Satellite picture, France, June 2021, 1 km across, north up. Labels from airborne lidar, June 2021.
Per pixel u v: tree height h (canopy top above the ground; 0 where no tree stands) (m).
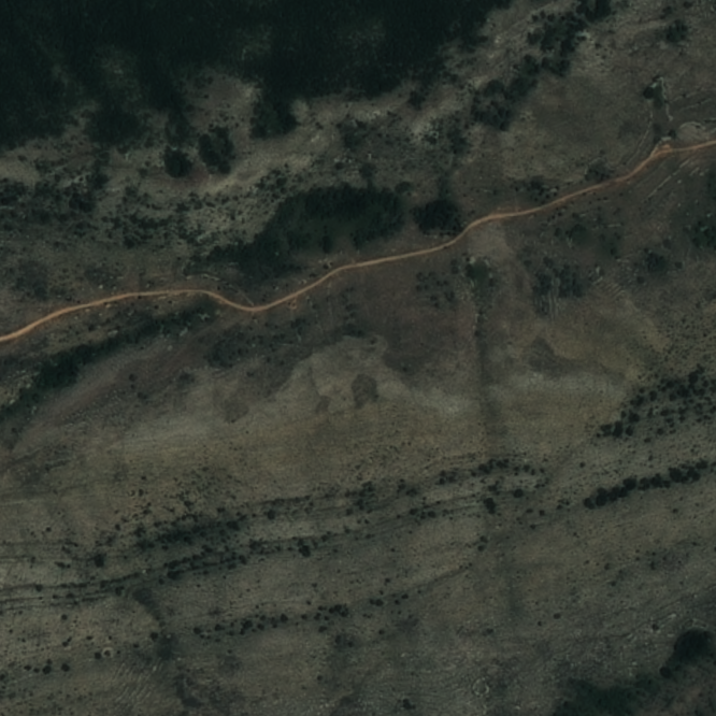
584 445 0
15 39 7
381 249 0
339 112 0
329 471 0
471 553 0
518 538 0
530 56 7
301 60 8
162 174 0
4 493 0
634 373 0
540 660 0
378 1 7
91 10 6
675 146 0
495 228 0
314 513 0
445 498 0
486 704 0
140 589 0
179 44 6
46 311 0
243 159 0
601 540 0
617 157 0
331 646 0
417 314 0
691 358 0
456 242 0
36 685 0
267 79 6
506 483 0
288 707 0
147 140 0
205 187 0
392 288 0
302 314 0
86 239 0
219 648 0
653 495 0
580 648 0
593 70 0
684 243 0
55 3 6
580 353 0
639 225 0
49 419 0
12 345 0
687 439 0
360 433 0
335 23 6
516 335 0
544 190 7
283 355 0
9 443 0
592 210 0
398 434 0
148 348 0
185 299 0
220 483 0
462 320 0
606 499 7
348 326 0
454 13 5
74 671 0
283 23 6
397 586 0
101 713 0
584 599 0
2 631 0
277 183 8
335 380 0
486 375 0
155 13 6
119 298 0
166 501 0
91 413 0
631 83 0
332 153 0
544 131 0
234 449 0
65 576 0
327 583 0
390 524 0
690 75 0
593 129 0
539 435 0
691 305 0
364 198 10
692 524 0
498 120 10
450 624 0
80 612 0
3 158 0
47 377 6
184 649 0
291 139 0
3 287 0
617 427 6
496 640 0
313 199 8
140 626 0
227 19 6
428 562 0
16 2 6
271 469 0
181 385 0
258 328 0
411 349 0
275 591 0
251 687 0
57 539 0
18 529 0
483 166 0
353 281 0
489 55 0
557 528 0
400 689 0
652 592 0
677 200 0
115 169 0
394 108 0
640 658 0
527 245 0
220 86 0
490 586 0
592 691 8
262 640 0
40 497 0
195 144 0
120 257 0
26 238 0
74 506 0
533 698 0
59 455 0
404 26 7
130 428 0
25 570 0
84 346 7
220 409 0
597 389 0
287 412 0
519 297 0
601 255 0
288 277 0
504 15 0
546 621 0
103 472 0
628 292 0
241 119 0
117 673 0
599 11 8
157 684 0
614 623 0
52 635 0
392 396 0
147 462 0
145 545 7
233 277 0
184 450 0
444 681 0
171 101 7
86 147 0
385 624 0
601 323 0
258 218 0
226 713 0
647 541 0
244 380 0
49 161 0
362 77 6
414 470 0
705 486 0
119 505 0
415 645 0
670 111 0
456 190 0
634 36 0
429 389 0
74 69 6
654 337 0
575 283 7
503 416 0
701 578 0
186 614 0
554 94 0
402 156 0
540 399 0
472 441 0
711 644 0
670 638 0
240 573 0
